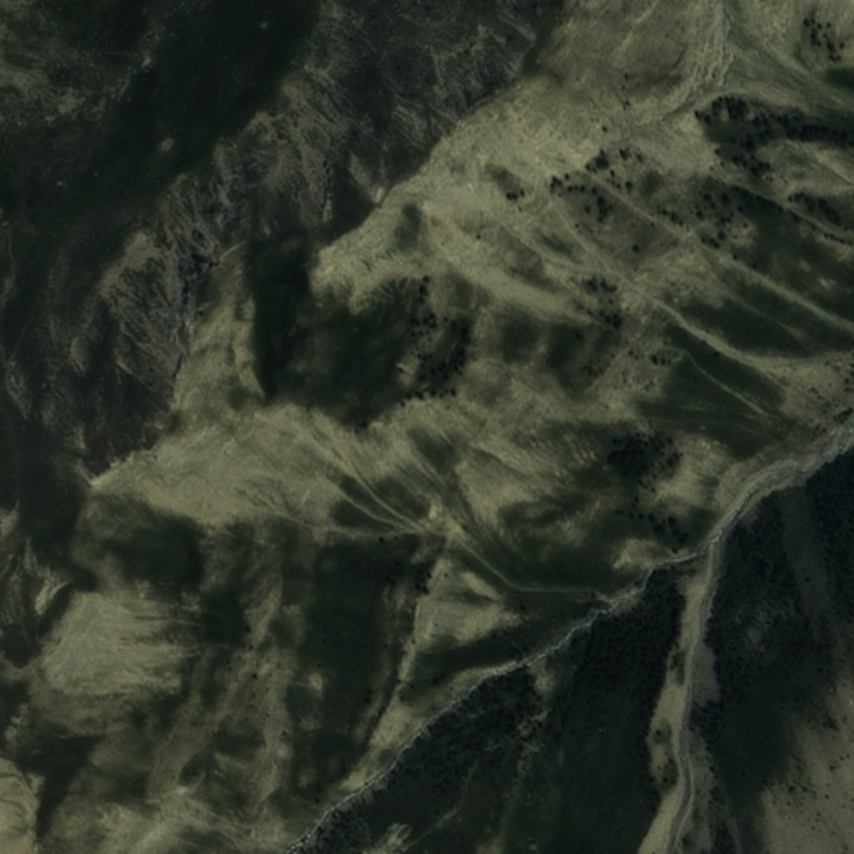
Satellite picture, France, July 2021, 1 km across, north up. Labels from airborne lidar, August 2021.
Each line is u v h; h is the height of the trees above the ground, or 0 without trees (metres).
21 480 0
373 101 0
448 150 0
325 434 0
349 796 0
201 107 0
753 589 6
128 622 0
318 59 0
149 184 0
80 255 0
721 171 0
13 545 0
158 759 0
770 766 0
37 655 0
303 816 0
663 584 6
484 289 0
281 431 0
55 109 0
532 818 0
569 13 0
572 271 0
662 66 0
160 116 0
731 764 0
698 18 0
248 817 0
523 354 0
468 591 0
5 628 0
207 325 0
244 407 0
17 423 0
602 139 0
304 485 0
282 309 0
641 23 0
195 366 0
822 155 0
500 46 0
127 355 0
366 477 0
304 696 0
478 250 0
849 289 0
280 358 0
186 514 0
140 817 0
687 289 0
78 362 0
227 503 0
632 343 0
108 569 0
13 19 0
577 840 0
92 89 0
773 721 0
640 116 0
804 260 0
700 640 0
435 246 0
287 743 0
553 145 0
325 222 0
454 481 0
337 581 0
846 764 0
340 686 0
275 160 0
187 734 0
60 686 0
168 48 0
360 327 0
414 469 0
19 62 0
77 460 0
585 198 0
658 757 0
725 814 0
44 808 0
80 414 0
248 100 0
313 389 0
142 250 0
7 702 0
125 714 0
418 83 0
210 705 0
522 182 0
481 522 0
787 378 0
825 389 0
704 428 0
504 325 0
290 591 0
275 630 0
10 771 0
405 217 0
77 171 0
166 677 0
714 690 0
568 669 0
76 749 0
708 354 0
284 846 0
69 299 0
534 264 0
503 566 0
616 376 0
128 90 0
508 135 0
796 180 0
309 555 0
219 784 0
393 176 0
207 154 0
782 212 11
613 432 0
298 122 0
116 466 0
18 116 0
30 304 0
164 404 0
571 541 0
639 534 0
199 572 0
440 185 0
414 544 0
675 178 0
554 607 0
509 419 0
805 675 0
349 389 0
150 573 0
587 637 9
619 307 0
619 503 0
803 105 0
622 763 0
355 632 0
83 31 0
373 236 0
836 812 0
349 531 0
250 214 0
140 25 0
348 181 0
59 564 0
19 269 0
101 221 0
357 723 0
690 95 0
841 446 0
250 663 0
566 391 0
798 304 0
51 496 0
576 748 0
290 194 0
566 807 0
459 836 0
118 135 0
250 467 0
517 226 0
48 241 0
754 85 0
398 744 0
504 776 0
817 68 0
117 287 0
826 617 7
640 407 0
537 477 0
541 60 0
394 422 0
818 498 11
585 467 0
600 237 0
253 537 0
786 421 0
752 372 0
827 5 0
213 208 0
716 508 0
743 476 0
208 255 0
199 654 0
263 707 0
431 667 0
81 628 0
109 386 0
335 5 0
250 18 0
